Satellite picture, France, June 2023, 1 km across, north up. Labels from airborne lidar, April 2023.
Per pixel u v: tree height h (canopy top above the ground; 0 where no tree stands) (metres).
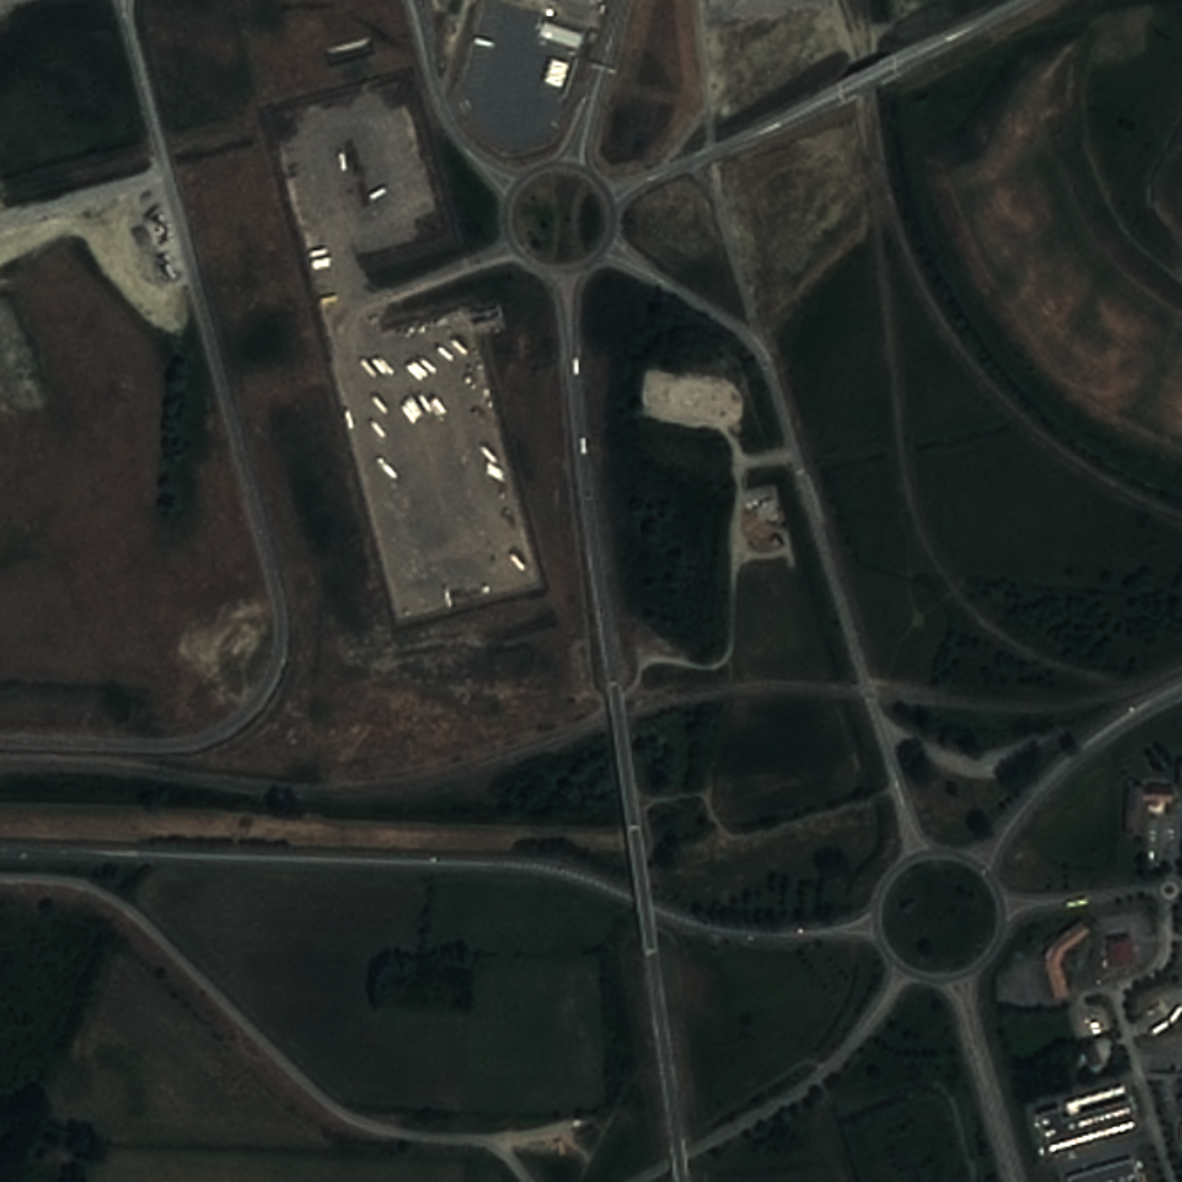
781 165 0
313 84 0
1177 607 12
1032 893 0
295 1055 0
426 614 0
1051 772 0
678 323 8
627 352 0
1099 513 0
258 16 0
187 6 0
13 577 0
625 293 0
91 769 0
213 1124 0
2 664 0
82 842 0
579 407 0
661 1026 0
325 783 0
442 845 0
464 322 0
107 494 0
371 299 0
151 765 0
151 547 0
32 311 0
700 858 0
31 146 0
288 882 0
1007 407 0
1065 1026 0
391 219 0
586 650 0
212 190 0
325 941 0
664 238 0
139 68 0
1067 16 0
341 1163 0
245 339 0
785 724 0
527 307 0
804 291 0
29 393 0
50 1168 0
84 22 0
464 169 0
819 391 0
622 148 0
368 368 0
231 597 0
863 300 0
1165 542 0
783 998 0
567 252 0
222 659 0
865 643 0
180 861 0
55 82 0
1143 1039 0
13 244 0
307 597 0
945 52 0
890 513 0
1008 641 0
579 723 0
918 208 0
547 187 0
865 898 0
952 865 0
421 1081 0
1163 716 0
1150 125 0
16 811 0
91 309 0
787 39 0
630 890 0
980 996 0
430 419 0
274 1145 0
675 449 0
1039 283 0
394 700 0
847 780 0
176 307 0
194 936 0
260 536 0
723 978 0
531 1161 0
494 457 0
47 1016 0
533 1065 0
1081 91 0
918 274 0
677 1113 0
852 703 0
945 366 0
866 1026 0
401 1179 0
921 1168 0
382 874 0
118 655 0
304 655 0
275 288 0
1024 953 0
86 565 0
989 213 0
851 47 0
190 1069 0
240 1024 0
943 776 0
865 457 0
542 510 0
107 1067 0
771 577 0
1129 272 0
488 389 0
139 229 0
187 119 0
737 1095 0
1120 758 0
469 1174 0
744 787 0
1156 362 0
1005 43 0
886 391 0
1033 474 0
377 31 0
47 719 0
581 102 0
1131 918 0
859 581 0
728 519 0
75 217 0
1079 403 0
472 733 0
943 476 0
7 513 0
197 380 0
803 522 0
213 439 0
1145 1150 0
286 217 0
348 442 0
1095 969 0
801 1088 0
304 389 0
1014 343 0
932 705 0
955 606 0
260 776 0
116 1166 0
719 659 0
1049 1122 0
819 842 0
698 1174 0
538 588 0
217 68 0
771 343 0
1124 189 0
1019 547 0
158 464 0
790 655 0
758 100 0
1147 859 8
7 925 0
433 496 0
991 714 0
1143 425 0
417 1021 0
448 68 0
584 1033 0
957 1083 0
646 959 0
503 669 0
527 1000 0
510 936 0
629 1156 0
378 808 0
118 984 0
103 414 0
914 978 0
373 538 0
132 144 0
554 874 0
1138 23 0
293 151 0
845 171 0
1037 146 0
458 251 0
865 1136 0
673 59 0
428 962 6
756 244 0
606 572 0
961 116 0
